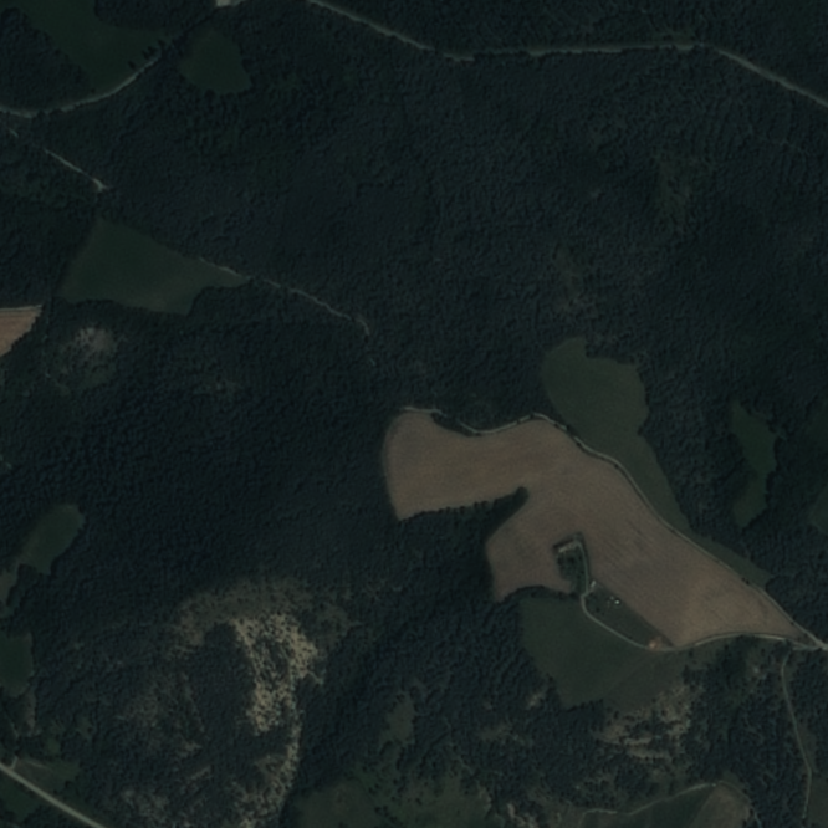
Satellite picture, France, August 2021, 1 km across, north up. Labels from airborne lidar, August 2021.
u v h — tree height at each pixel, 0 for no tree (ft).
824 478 32
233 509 58
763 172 39
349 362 43
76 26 0
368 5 30
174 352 48
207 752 35
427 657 31
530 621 0
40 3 0
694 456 43
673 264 35
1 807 61
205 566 69
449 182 40
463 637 41
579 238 31
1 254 71
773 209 38
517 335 37
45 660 26
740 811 0
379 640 29
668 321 34
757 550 31
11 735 37
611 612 0
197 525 71
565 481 0
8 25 61
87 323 31
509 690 34
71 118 24
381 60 24
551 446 0
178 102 61
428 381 17
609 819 0
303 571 36
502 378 40
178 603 18
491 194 36
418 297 27
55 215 49
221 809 29
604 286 24
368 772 24
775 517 49
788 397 34
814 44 39
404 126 23
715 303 34
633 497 0
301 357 21
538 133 45
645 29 51
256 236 56
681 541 0
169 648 18
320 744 45
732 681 37
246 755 33
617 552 0
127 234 0
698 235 36
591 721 22
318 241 34
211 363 20
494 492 0
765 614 0
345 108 21
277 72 26
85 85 63
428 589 57
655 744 31
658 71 41
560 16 52
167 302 0
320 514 28
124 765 18
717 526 40
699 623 0
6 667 0
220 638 31
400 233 48
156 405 92
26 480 95
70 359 32
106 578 38
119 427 81
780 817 22
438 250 39
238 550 48
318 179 36
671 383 37
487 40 45
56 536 0
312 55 58
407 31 50
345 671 44
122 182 54
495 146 45
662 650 0
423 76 46
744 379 37
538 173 52
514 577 0
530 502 0
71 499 69
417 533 41
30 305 38
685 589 0
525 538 0
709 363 32
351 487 43
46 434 33
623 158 46
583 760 27
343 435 51
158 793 30
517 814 23
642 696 0
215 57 0
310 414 58
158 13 48
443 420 31
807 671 29
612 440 0
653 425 26
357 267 47
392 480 0
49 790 0
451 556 45
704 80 50
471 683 41
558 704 31
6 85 52
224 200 41
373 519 46
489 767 18
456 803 0
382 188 45
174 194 43
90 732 28
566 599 21
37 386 30
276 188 21
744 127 38
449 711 37
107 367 29
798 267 26
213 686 29
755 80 44
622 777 29
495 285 40
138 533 57
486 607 62
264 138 35
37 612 53
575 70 45
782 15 31
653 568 0
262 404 53
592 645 0
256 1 32
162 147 61
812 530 36
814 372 50
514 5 75
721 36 50
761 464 0
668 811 0
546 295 34
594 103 45
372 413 59
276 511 51
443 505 0
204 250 35
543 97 26
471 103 31
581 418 0
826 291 28
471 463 0
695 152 43
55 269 61
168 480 53
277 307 37
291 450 65
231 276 0
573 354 0
